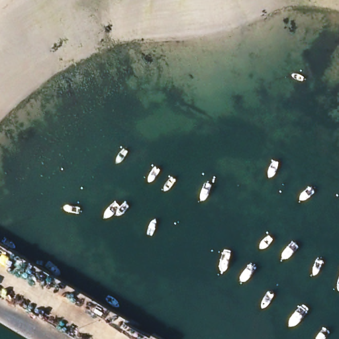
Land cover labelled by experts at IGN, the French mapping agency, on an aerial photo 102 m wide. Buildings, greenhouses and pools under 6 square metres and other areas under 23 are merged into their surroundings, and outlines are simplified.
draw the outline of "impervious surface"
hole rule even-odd
[[[154,336],[140,336],[138,332],[131,331],[122,316],[111,313],[109,309],[73,287],[66,286],[61,289],[60,279],[50,281],[48,271],[20,260],[11,250],[5,250],[4,246],[0,245],[0,339],[158,339]]]

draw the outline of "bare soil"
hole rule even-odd
[[[273,12],[274,9],[285,7],[316,7],[339,11],[339,0],[0,0],[0,121],[17,103],[37,90],[52,75],[85,60],[91,54],[113,48],[119,42],[138,38],[152,38],[155,41],[187,40],[189,37],[229,32],[237,26],[260,19],[262,9]]]

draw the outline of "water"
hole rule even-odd
[[[316,7],[285,7],[274,9],[273,12],[262,9],[260,19],[237,26],[229,32],[189,37],[187,40],[155,41],[152,38],[138,38],[119,42],[113,48],[91,54],[85,60],[52,75],[37,90],[17,103],[0,121],[0,245],[4,246],[5,250],[11,250],[20,260],[48,271],[50,281],[60,279],[61,289],[66,286],[73,287],[109,309],[111,313],[122,316],[131,331],[138,332],[140,336],[154,336],[158,339],[339,339],[339,11]]]

